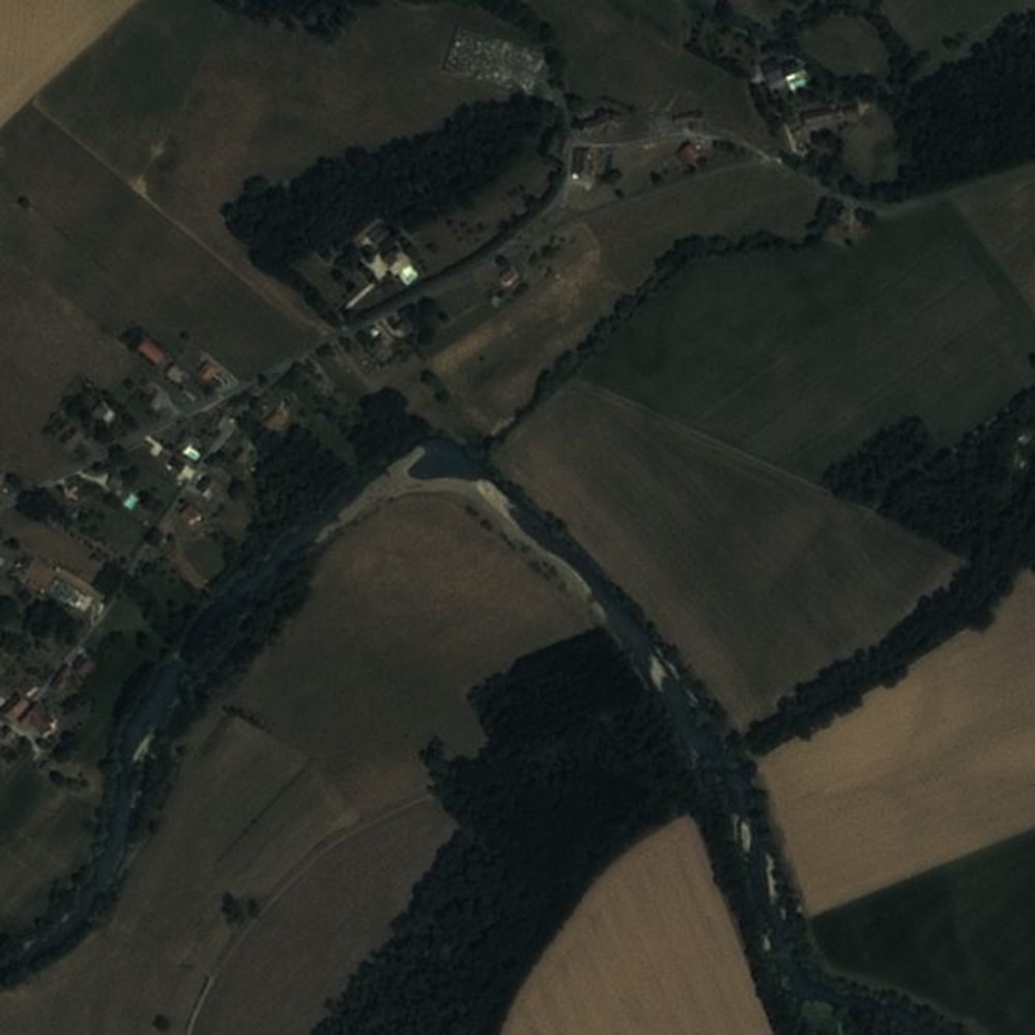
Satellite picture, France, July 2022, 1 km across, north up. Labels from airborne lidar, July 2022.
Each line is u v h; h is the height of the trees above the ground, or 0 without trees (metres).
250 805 0
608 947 0
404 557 0
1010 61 33
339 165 15
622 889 0
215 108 0
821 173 11
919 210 0
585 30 0
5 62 0
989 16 0
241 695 0
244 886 0
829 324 0
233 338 0
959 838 0
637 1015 0
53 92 0
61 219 0
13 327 0
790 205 0
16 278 0
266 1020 0
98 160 0
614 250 0
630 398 0
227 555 9
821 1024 0
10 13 0
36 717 0
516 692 13
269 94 0
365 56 0
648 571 0
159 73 0
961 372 0
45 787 0
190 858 0
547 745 23
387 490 0
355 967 0
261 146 0
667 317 0
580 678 17
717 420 0
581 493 0
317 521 0
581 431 0
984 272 0
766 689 0
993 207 0
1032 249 0
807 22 7
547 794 21
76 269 0
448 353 0
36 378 0
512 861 24
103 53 0
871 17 11
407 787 0
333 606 0
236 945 0
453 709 0
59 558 0
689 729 0
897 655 17
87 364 0
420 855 0
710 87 0
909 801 0
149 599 11
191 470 0
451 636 0
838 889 0
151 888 0
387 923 0
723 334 0
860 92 12
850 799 0
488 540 0
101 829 11
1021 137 21
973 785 0
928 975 0
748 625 0
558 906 24
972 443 13
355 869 0
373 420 17
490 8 22
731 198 0
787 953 0
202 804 0
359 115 0
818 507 0
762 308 0
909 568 0
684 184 0
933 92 24
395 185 26
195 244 0
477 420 0
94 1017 0
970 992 0
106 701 0
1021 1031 0
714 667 0
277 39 0
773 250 17
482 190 19
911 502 23
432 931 15
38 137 0
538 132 20
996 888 0
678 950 0
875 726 0
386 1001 23
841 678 18
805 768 0
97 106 0
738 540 0
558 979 0
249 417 13
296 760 0
